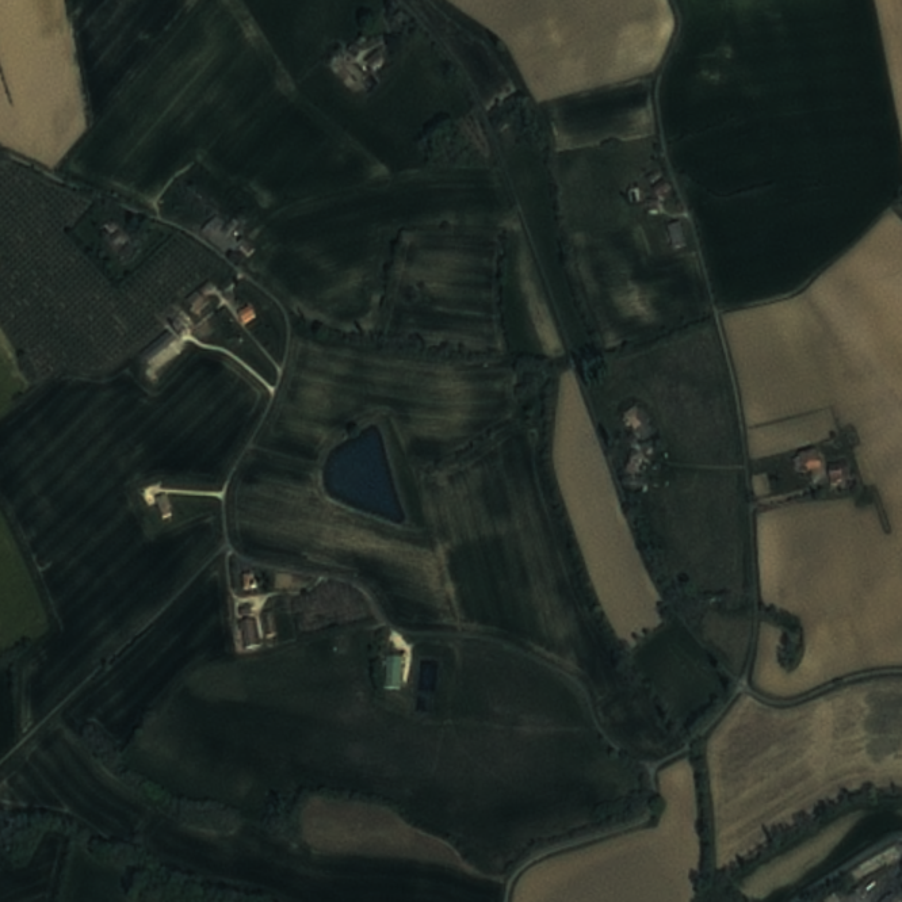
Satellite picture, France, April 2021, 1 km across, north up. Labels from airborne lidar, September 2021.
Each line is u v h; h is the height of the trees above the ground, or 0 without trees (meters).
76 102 0
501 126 11
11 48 0
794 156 0
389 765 0
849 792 12
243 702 0
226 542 0
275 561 0
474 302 0
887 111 0
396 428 0
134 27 0
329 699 0
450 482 0
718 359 0
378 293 0
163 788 8
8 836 16
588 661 0
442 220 0
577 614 0
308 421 0
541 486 0
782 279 0
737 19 0
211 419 0
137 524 0
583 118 0
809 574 0
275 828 19
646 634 11
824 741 0
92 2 0
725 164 0
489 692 0
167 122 0
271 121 0
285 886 0
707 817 9
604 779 0
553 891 0
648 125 0
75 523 0
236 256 14
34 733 0
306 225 0
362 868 0
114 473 0
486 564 0
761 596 0
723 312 0
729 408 0
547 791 0
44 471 0
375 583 0
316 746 0
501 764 0
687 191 0
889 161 0
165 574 0
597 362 30
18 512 0
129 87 0
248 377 0
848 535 0
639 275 0
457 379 0
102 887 0
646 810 19
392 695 0
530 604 0
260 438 0
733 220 0
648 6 0
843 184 0
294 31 0
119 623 0
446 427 0
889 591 0
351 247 0
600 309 0
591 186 0
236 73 0
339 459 0
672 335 7
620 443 15
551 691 0
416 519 0
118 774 12
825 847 0
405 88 0
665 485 0
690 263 0
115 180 0
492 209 0
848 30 0
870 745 0
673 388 0
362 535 0
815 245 0
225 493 0
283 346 0
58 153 0
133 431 0
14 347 0
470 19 0
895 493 0
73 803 0
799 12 0
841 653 0
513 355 6
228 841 0
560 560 0
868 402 0
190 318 0
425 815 0
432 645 0
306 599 11
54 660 0
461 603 0
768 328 0
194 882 17
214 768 0
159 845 0
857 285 0
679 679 0
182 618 0
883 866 7
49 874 0
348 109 0
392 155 0
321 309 0
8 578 0
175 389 0
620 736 0
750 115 0
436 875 0
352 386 0
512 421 0
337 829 0
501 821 0
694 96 0
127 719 0
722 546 0
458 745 0
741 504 0
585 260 0
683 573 0
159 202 0
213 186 0
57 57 0
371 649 10
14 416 0
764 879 0
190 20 0
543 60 0
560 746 0
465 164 21
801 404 0
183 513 0
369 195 0
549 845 14
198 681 0
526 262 0
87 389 0
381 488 0
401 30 8
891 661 0
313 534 0
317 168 0
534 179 0
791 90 0
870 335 0
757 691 0
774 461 0
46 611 0
